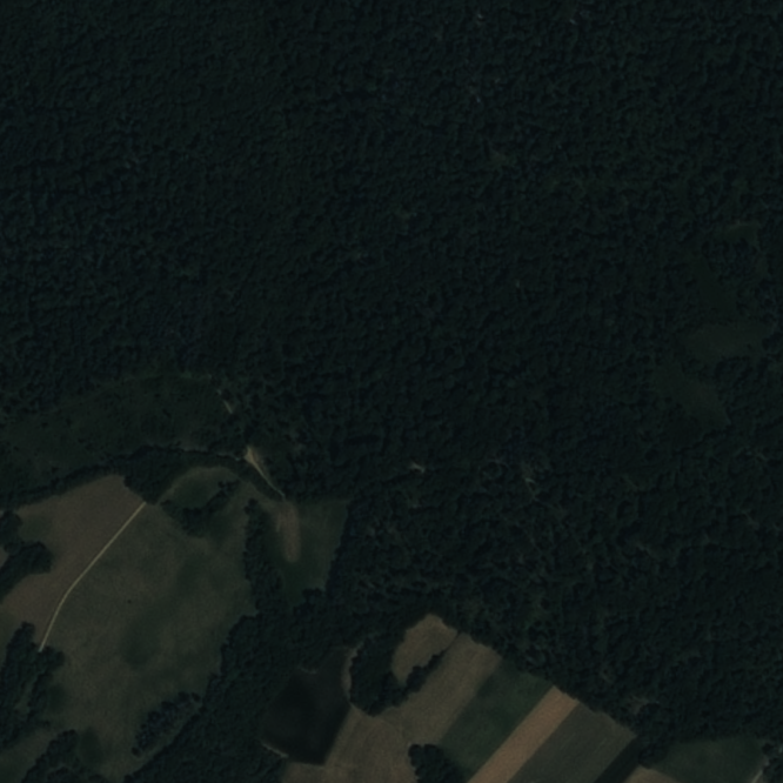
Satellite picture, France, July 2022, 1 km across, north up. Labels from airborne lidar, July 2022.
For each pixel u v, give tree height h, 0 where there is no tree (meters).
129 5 24
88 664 0
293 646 21
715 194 24
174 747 13
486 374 24
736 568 25
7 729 16
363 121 25
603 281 24
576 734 0
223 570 0
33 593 0
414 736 0
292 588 0
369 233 20
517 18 22
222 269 23
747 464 27
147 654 0
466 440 23
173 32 18
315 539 0
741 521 28
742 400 23
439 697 0
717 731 11
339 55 30
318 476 9
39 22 11
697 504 24
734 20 18
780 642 22
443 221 30
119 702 0
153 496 14
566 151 24
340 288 27
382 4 29
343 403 33
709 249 18
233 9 17
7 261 18
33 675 15
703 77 29
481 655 0
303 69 25
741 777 0
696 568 28
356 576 25
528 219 26
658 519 25
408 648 0
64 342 18
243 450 8
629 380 18
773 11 32
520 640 28
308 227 20
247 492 0
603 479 27
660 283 20
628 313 25
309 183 19
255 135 16
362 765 0
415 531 24
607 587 30
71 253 7
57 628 0
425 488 24
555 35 25
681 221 19
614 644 11
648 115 15
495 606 32
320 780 0
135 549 0
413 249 28
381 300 24
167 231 15
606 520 23
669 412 7
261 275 16
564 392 25
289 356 26
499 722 0
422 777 12
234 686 17
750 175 23
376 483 26
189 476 0
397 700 20
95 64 28
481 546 11
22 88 10
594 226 27
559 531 25
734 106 24
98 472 21
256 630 14
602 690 21
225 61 22
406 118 28
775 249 15
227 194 23
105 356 19
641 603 21
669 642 25
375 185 24
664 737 15
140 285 20
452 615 22
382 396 27
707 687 29
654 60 27
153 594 0
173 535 0
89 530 0
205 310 23
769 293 26
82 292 25
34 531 0
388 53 33
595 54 25
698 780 0
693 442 13
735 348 0
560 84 24
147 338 23
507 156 25
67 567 0
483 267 14
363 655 16
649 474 23
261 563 17
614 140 23
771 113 28
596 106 24
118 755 0
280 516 0
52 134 27
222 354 13
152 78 20
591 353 25
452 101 22
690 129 16
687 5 16
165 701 0
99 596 0
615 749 0
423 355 8
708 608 24
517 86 26
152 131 21
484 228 24
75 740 15
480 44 23
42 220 23
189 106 22
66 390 17
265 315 15
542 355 23
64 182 28
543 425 24
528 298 12
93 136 14
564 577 20
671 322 22
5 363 28
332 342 31
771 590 21
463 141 24
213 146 20
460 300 29
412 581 28
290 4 25
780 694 16
